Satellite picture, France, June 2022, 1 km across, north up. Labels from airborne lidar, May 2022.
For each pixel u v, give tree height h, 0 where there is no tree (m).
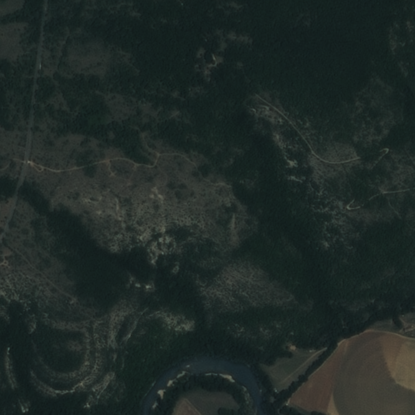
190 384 10
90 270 9
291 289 6
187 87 9
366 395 0
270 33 10
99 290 7
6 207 0
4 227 0
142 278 6
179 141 10
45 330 6
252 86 7
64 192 0
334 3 11
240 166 9
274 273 7
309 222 10
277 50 10
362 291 8
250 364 6
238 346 14
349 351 0
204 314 7
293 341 7
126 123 12
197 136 7
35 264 0
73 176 0
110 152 0
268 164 13
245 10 9
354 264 8
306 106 6
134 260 11
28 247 0
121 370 9
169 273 7
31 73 9
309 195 6
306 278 11
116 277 8
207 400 0
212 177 0
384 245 6
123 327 12
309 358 0
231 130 9
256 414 0
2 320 7
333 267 8
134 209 0
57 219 8
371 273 8
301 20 7
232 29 8
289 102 6
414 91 11
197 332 13
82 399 7
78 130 10
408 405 0
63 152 0
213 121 12
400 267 7
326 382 0
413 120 11
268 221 9
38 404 17
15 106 7
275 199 14
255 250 11
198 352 18
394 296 10
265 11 10
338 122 5
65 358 7
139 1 10
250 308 7
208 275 7
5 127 9
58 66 6
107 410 24
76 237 9
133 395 18
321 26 7
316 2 8
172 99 9
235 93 14
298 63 7
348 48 9
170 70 11
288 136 5
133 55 6
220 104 10
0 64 6
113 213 0
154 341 8
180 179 0
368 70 7
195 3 8
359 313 6
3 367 6
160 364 13
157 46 14
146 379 11
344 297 11
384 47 10
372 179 8
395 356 0
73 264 6
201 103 11
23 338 14
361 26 10
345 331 14
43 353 6
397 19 7
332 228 8
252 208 8
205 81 12
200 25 11
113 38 11
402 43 6
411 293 6
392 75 8
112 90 10
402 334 0
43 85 9
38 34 9
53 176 0
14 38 0
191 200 0
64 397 13
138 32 11
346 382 0
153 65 14
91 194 0
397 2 8
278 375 0
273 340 6
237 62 6
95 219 0
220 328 9
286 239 6
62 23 8
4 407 6
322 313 8
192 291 11
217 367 0
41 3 13
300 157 6
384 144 7
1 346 9
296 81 8
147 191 0
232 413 12
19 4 0
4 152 0
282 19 9
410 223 8
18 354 12
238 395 10
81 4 8
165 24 7
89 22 7
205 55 13
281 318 8
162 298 9
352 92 6
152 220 0
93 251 10
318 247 7
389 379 0
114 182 0
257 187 7
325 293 10
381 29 10
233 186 7
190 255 10
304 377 17
